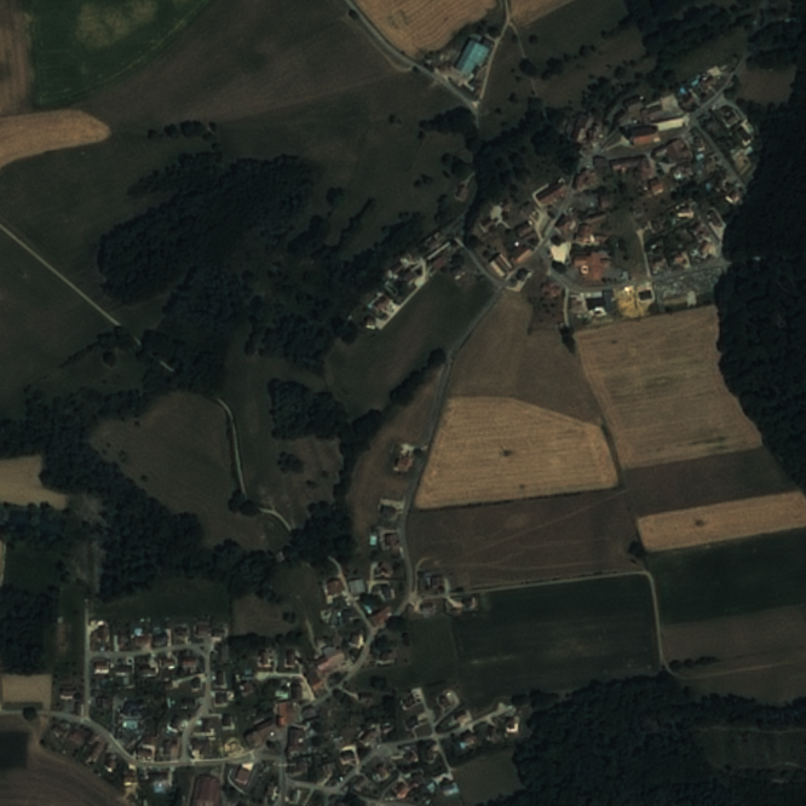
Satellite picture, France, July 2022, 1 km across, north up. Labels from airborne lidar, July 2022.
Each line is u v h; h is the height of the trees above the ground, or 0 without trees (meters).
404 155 0
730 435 0
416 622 0
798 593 0
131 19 0
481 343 0
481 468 0
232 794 12
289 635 8
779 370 27
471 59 0
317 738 9
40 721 0
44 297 0
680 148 0
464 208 0
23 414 0
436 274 0
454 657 0
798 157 17
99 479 20
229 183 22
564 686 0
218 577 14
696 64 0
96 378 0
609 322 0
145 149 0
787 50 16
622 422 0
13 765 0
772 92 0
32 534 19
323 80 0
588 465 0
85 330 0
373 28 0
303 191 16
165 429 0
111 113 0
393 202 0
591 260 0
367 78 0
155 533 13
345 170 0
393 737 10
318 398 9
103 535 22
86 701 0
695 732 14
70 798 0
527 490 0
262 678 0
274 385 11
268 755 0
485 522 0
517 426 0
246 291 25
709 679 0
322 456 0
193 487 0
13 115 0
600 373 0
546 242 0
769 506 0
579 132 0
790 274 30
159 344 21
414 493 0
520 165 17
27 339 0
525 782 20
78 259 0
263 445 0
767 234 17
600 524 0
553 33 0
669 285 0
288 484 0
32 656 21
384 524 0
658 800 23
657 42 20
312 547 27
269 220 21
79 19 0
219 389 16
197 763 0
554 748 23
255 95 0
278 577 0
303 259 27
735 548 0
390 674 0
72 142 0
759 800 7
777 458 7
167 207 16
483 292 0
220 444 0
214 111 0
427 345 0
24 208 0
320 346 8
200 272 22
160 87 0
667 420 0
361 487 0
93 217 0
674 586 0
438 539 0
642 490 0
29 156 0
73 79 0
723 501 0
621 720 22
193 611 0
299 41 0
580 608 0
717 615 0
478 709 0
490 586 0
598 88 14
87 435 13
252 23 0
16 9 0
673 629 0
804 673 0
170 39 0
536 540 0
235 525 0
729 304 22
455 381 0
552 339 0
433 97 0
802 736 0
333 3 0
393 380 0
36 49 0
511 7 0
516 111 0
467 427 0
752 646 0
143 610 0
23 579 0
